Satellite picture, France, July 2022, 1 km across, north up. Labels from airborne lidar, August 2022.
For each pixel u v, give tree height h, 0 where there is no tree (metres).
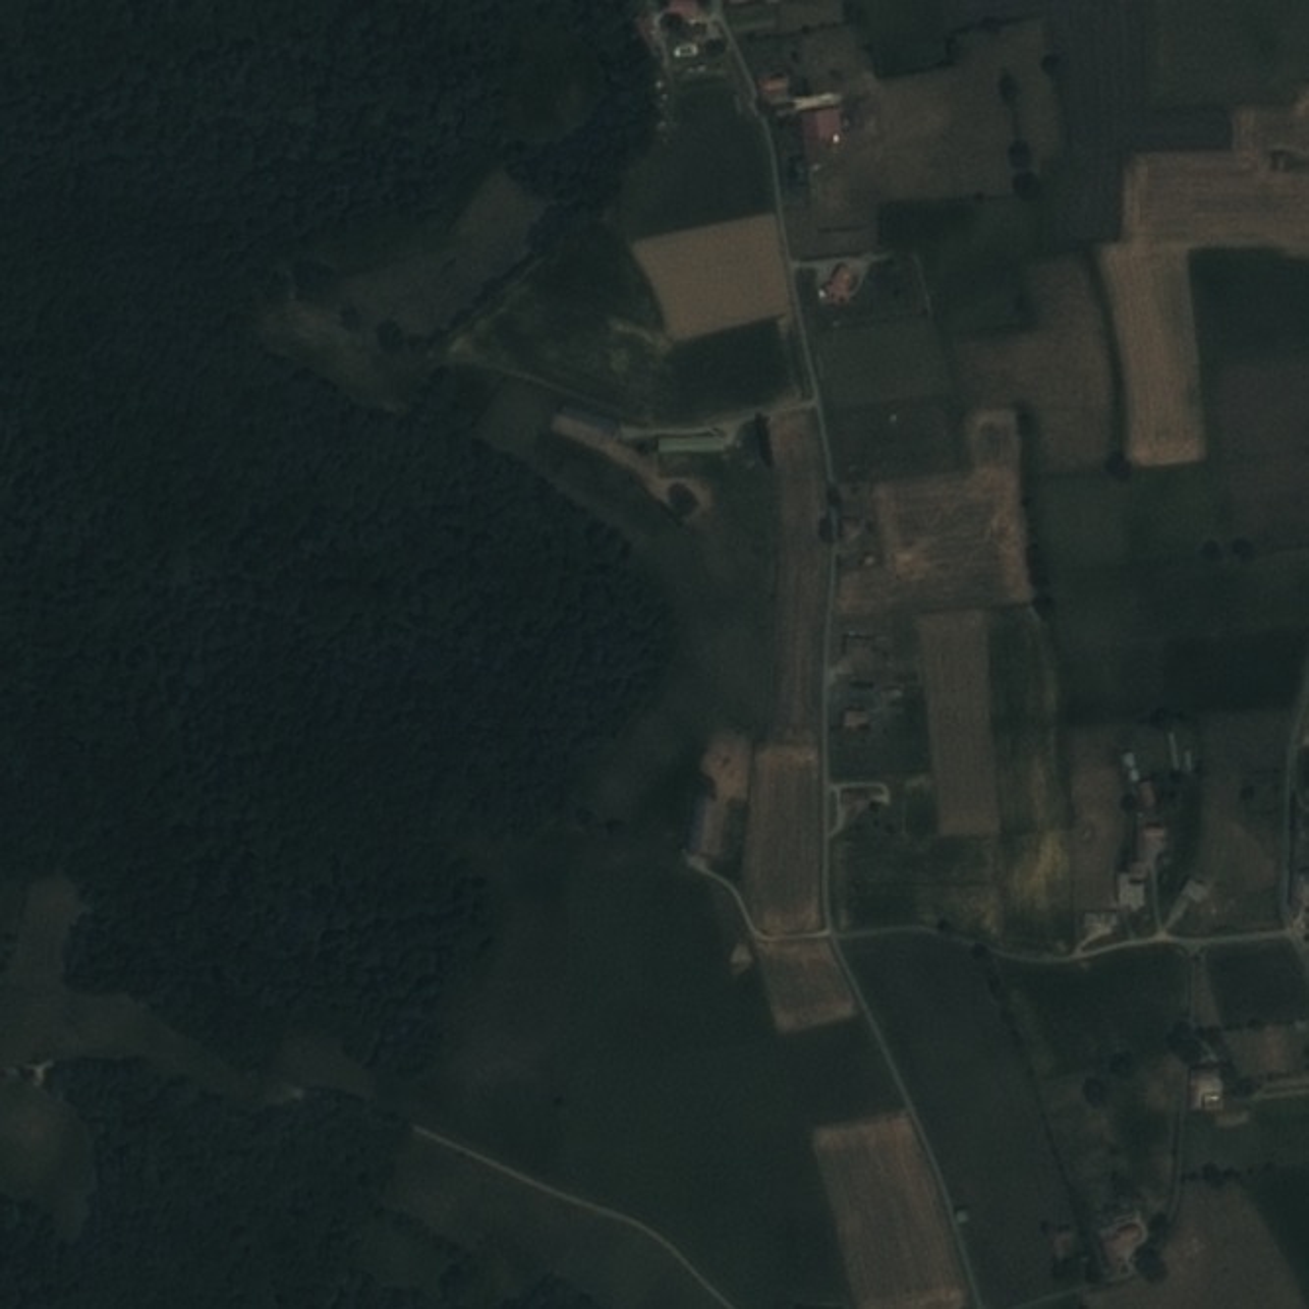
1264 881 0
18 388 32
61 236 27
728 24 0
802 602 0
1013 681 0
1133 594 0
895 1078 0
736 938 0
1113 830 0
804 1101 0
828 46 0
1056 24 0
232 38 11
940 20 0
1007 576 0
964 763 0
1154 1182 0
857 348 0
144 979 15
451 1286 17
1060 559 0
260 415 25
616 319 0
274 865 31
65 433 35
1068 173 0
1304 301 0
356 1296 23
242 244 21
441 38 26
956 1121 0
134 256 20
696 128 0
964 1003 0
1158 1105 0
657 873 0
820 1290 0
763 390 0
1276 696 0
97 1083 17
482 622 29
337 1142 25
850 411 0
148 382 28
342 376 0
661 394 0
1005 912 0
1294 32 0
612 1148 0
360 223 15
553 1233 0
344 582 36
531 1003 0
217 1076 0
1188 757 0
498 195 0
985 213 0
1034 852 0
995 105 0
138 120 26
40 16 27
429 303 0
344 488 27
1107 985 0
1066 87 0
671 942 0
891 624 0
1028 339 0
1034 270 0
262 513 29
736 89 0
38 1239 28
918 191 0
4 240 29
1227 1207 0
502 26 23
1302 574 0
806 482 0
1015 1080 0
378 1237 0
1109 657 0
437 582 29
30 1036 0
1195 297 0
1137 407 0
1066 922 0
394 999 13
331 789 25
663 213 0
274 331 0
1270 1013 0
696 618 0
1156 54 0
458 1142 0
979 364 0
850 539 0
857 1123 0
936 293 0
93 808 21
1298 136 0
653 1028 0
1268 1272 0
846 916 0
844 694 0
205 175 32
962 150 0
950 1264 0
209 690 29
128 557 28
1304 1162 0
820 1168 0
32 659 25
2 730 18
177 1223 23
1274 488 0
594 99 0
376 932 33
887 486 0
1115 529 0
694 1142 0
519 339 0
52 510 23
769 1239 0
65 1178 0
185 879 21
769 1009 0
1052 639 0
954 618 0
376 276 0
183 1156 20
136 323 27
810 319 0
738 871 0
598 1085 0
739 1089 0
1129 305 0
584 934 0
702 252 0
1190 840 0
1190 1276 0
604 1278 0
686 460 0
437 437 25
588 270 0
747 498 0
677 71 0
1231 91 0
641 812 0
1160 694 0
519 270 9
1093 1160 0
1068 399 0
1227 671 0
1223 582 0
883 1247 0
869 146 0
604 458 0
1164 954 0
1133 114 0
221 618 15
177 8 25
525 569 27
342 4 8
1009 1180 0
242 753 34
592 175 24
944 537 0
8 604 25
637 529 0
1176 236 0
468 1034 0
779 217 0
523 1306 16
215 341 20
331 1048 0
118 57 29
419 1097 0
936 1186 0
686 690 0
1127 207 0
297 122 13
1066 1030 0
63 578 20
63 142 26
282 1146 27
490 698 27
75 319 28
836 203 0
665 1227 0
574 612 20
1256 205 0
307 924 27
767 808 0
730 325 0
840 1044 0
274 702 28
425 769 23
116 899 19
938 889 0
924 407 0
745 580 0
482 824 17
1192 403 0
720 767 0
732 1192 0
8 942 10
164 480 32
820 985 0
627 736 0
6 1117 0
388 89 28
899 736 0
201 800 11
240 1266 25
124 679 27
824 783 0
